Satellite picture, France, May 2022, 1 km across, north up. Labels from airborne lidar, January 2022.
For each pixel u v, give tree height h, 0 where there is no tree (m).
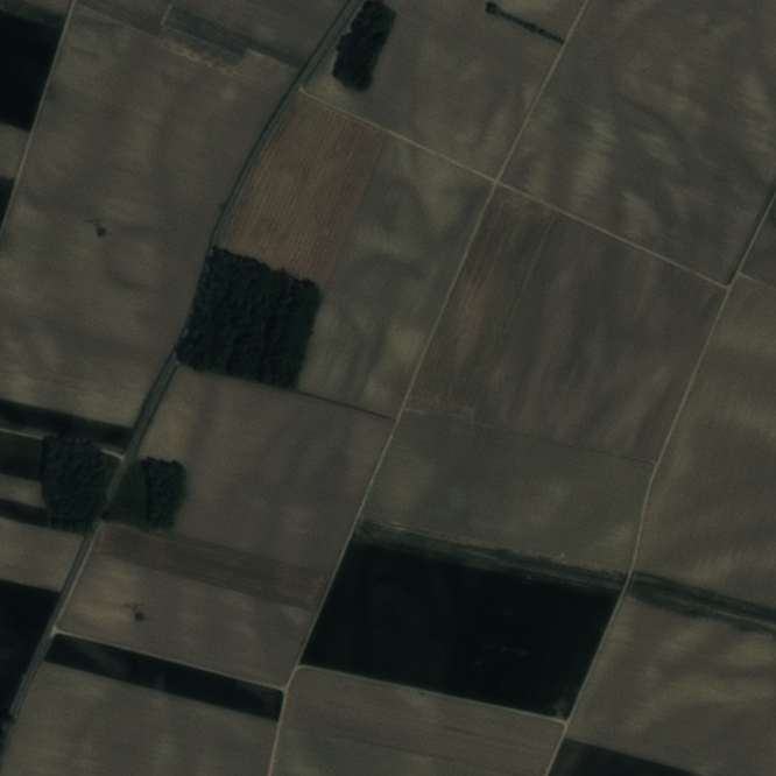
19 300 0
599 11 0
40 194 0
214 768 0
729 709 0
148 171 0
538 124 0
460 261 0
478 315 0
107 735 0
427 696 0
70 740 0
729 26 0
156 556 0
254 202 0
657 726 0
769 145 0
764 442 0
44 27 0
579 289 0
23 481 0
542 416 0
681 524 0
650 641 0
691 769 0
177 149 0
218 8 0
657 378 0
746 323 0
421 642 0
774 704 0
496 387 0
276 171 0
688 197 0
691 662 0
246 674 0
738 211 0
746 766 0
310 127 0
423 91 0
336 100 0
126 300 0
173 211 0
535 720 0
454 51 0
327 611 0
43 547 0
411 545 0
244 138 0
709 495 0
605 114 0
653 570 0
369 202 0
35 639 0
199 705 0
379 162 0
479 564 0
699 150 0
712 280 0
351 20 0
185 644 0
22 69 0
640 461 0
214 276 19
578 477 0
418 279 0
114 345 0
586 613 0
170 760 0
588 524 0
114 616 0
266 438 0
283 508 0
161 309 0
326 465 0
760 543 0
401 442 0
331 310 0
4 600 0
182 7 0
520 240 0
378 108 0
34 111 0
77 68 0
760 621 0
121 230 0
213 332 23
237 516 0
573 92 0
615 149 0
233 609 0
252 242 0
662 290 0
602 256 0
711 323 0
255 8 0
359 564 0
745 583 0
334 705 0
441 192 0
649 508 0
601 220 0
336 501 0
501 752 0
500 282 0
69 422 0
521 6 0
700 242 0
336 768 0
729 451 0
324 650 0
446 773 0
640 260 0
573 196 0
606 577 0
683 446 0
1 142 0
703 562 0
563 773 0
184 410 0
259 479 0
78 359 0
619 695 0
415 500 0
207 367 18
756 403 0
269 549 0
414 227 0
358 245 0
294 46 0
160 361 0
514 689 0
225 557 0
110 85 0
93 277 0
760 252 0
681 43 0
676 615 0
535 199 0
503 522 0
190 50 0
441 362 0
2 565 0
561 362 0
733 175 0
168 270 0
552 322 0
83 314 0
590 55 0
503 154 0
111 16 0
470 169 0
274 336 20
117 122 0
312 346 0
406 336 0
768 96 0
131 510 0
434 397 0
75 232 0
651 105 0
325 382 0
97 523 0
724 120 0
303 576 0
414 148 0
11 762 0
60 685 0
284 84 0
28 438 0
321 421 0
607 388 0
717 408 0
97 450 17
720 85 0
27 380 0
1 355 0
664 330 0
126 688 0
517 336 0
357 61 21
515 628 0
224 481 0
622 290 0
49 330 0
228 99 0
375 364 0
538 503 0
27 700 0
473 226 0
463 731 0
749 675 0
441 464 0
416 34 0
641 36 0
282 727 0
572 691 0
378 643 0
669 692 0
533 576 0
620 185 0
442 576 0
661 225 0
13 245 0
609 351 0
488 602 0
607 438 0
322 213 0
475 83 0
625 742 0
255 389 0
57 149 0
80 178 0
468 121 0
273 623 0
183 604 0
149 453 0
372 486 0
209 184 0
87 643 0
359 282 0
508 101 0
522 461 0
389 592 0
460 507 0
